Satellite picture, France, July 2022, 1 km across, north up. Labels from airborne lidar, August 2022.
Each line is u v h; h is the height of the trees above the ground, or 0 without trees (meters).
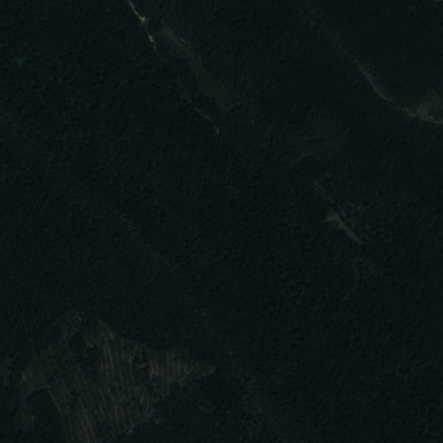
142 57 30
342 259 18
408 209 20
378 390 23
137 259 17
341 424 27
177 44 0
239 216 26
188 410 21
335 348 29
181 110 29
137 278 16
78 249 18
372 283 24
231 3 24
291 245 22
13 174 28
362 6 18
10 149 17
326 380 33
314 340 25
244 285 29
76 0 20
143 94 25
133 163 28
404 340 22
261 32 27
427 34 14
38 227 21
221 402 11
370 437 35
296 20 30
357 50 10
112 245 19
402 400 29
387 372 24
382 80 11
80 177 26
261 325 31
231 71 20
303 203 27
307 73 27
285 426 17
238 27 29
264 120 22
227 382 11
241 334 28
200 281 37
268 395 19
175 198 32
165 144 17
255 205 24
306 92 21
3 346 20
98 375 12
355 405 31
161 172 32
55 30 28
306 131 21
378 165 29
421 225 30
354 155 21
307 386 33
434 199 25
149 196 32
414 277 28
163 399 14
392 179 29
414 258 22
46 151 29
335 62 19
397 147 23
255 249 30
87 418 0
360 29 16
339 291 22
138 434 20
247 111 26
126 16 23
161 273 16
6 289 20
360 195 27
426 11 17
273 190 27
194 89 27
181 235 34
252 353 28
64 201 20
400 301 25
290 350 30
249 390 12
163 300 19
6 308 19
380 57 16
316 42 21
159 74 26
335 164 25
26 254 15
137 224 30
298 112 22
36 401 16
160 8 15
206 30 25
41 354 12
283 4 25
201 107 25
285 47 30
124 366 11
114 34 24
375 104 20
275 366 35
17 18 26
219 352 14
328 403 31
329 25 9
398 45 15
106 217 16
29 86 33
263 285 28
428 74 12
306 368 31
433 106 0
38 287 15
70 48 22
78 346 13
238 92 23
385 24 17
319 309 26
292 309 31
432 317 33
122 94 27
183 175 21
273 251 24
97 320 7
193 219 30
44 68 28
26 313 12
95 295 15
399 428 25
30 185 20
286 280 27
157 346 25
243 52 29
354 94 23
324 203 27
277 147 24
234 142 19
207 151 24
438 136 21
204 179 31
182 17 24
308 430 32
